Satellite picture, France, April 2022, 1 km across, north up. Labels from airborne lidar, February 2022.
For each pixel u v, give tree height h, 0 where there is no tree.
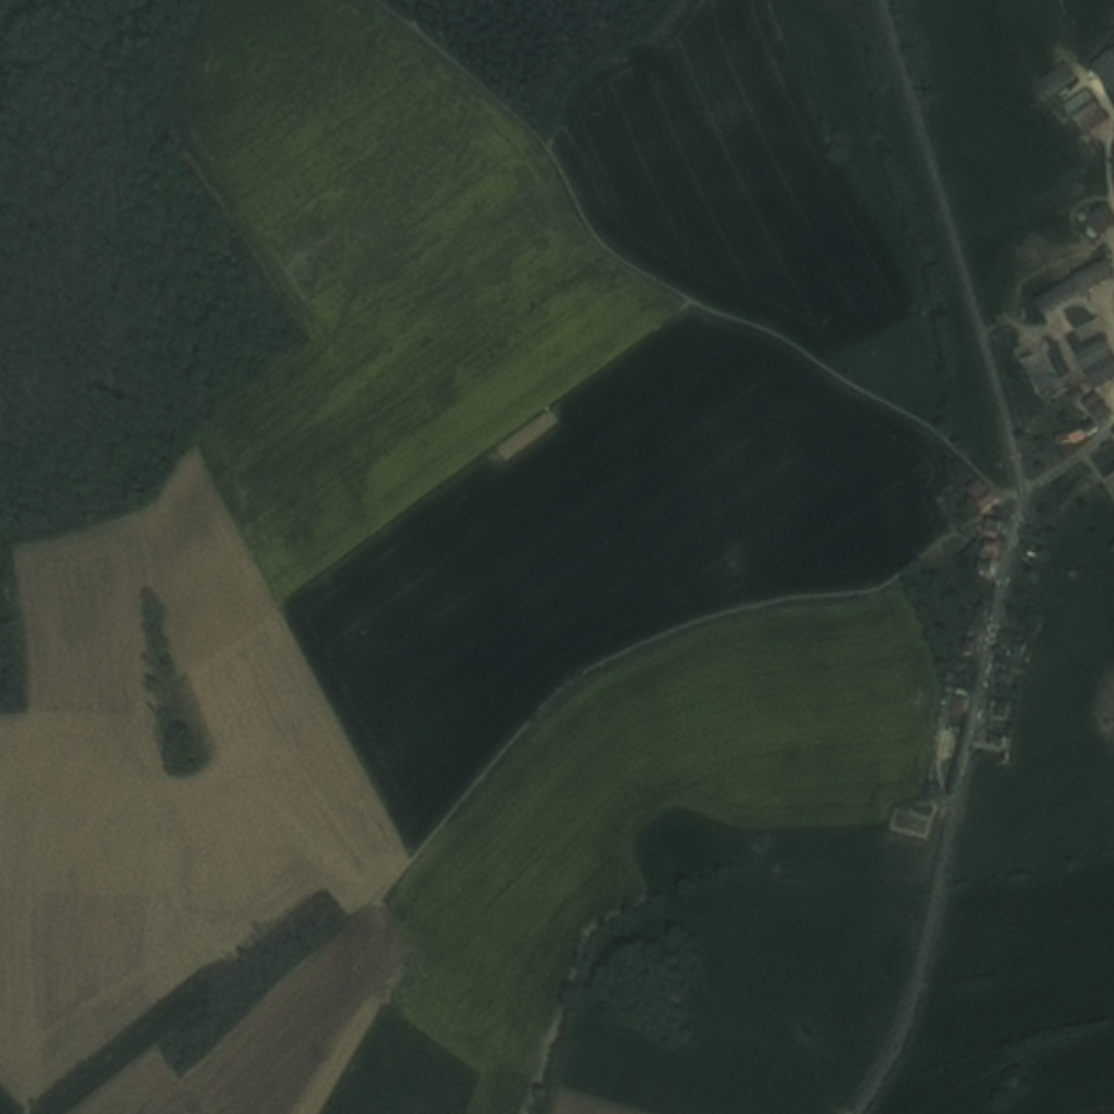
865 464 0
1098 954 0
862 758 0
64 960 0
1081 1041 0
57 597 0
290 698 0
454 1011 0
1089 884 0
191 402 26
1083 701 0
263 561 0
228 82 0
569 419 0
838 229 0
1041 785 0
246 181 0
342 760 0
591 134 0
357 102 0
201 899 0
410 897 0
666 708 0
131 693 0
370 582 0
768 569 0
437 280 0
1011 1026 0
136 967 0
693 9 0
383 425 0
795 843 0
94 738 0
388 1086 0
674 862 0
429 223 0
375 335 0
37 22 23
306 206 0
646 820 0
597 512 0
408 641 0
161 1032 0
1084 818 0
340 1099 0
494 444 0
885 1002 0
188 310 21
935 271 17
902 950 0
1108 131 0
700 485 0
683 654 0
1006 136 0
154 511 0
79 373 26
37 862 0
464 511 0
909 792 0
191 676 0
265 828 0
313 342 0
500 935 0
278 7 0
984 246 0
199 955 0
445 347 0
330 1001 0
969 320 0
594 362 0
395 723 0
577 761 0
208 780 0
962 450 12
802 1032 0
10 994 0
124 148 27
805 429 0
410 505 0
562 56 30
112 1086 0
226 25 0
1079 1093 0
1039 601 0
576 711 0
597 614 0
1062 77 0
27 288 25
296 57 0
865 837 0
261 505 0
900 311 0
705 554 0
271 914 0
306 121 0
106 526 0
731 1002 0
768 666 0
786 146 0
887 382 0
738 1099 0
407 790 0
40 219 26
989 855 0
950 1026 0
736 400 0
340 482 0
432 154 0
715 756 0
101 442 26
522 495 0
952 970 0
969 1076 0
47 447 23
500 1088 0
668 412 0
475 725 0
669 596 0
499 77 28
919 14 0
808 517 0
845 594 0
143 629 0
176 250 22
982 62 0
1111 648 0
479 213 0
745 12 0
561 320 0
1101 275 0
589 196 0
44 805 0
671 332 0
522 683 0
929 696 0
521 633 0
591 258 0
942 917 0
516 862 0
